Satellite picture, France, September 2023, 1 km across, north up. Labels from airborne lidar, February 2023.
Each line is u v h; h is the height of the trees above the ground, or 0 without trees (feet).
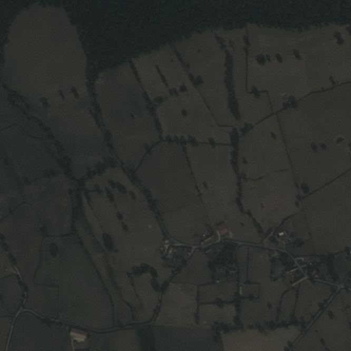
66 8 84
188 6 114
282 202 0
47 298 0
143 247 0
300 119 0
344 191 0
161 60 0
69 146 0
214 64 0
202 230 0
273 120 0
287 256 26
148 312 0
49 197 0
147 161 0
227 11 97
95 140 0
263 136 0
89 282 0
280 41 0
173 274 31
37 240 0
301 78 0
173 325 0
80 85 0
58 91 0
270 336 0
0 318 0
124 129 0
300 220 0
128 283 0
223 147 0
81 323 0
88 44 64
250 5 0
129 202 0
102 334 0
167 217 0
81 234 0
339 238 0
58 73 0
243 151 0
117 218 23
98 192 54
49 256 0
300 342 0
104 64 92
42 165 0
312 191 0
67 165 24
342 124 0
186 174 0
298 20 94
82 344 0
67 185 0
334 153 0
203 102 0
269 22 82
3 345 0
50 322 54
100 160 0
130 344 0
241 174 0
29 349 0
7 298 0
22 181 0
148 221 0
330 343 0
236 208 0
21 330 0
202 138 0
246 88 0
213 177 0
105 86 0
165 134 0
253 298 37
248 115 0
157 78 0
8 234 0
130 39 118
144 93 0
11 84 0
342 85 0
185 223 0
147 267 36
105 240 56
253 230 0
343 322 0
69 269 0
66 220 0
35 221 0
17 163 0
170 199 0
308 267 34
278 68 0
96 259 0
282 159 0
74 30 0
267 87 0
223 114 0
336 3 65
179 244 0
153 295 0
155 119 0
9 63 0
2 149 0
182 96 0
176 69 0
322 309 48
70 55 0
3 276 0
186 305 0
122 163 29
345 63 0
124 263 0
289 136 0
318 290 0
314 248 0
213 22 101
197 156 0
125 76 0
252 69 0
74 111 0
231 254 21
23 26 0
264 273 0
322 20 89
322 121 0
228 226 0
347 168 0
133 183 56
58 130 0
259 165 0
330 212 0
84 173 0
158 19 130
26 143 0
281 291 0
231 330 53
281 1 108
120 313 0
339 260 0
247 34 0
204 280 0
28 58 0
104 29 118
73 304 0
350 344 0
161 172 0
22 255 0
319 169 0
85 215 0
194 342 0
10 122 0
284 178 0
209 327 0
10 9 70
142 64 0
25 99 0
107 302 0
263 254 0
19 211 0
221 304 52
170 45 0
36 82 0
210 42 0
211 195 0
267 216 0
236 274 29
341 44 0
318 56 0
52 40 0
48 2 69
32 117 18
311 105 0
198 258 0
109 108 0
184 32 99
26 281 0
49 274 0
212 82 0
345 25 0
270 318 0
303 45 0
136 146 0
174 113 0
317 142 0
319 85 0
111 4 123
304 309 0
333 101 0
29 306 0
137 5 129
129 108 0
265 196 0
